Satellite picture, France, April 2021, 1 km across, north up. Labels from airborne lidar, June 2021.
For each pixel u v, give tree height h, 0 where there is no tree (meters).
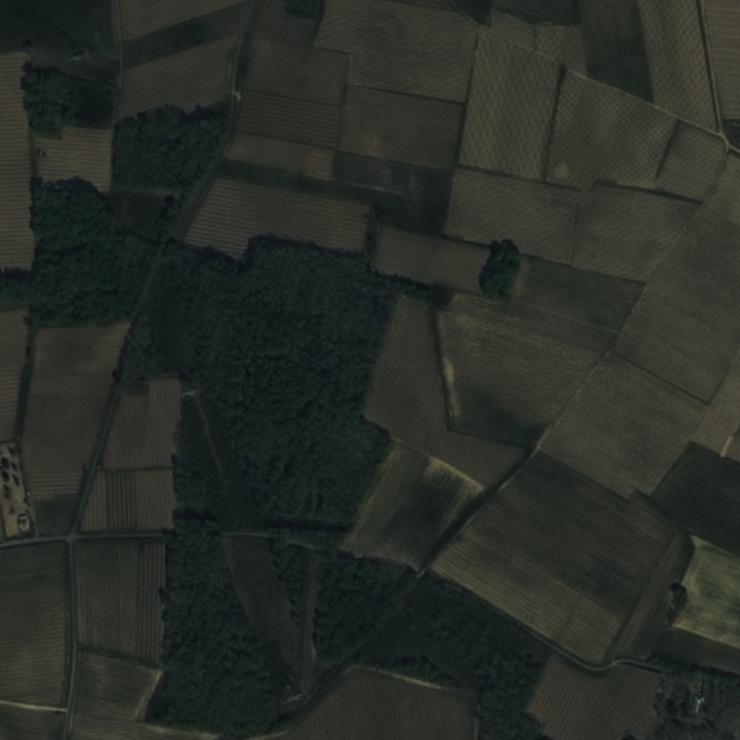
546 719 0
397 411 0
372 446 18
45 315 16
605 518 0
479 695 9
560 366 0
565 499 0
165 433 0
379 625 18
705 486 0
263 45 0
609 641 0
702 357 0
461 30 0
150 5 0
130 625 0
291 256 18
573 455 0
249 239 0
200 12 0
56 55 0
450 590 16
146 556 0
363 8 0
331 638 17
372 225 0
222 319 17
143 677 0
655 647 0
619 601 0
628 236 0
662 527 0
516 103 0
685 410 0
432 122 0
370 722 0
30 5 0
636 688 0
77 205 28
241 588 0
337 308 21
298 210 0
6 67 0
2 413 0
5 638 0
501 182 0
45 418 0
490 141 0
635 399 0
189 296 14
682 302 0
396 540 0
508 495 0
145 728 0
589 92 0
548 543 0
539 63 0
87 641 0
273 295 25
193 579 16
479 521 0
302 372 18
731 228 0
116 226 6
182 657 12
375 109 0
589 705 0
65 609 0
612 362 0
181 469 19
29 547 0
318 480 20
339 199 0
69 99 14
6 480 10
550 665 0
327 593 16
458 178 0
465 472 0
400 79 0
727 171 0
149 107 0
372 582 20
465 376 0
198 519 20
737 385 0
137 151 13
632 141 0
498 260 19
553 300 0
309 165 0
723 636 0
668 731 12
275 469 21
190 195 20
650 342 0
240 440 22
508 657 19
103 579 0
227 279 24
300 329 19
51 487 0
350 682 0
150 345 23
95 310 23
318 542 20
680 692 17
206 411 8
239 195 0
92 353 0
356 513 20
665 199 0
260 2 0
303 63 0
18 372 0
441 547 0
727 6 0
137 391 20
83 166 0
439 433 0
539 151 0
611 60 0
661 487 0
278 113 0
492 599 0
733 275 0
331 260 15
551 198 0
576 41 0
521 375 0
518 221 0
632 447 0
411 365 0
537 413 0
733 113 0
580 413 0
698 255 0
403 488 0
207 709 20
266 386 26
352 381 17
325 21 0
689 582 0
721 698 18
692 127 0
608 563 0
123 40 0
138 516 0
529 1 0
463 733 0
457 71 0
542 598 0
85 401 0
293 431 20
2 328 0
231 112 0
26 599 0
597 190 0
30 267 0
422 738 0
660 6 0
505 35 0
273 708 9
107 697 0
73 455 0
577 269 0
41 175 0
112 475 0
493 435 0
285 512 13
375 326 18
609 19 0
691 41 0
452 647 10
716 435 0
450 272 0
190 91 0
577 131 0
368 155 0
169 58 0
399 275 0
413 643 13
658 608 0
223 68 0
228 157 0
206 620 15
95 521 0
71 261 27
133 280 19
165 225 15
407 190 0
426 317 0
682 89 0
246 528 8
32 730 0
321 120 0
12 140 0
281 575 13
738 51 0
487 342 0
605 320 0
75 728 0
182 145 23
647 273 0
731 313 0
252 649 15
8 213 0
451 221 0
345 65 0
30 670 0
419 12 0
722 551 0
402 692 0
